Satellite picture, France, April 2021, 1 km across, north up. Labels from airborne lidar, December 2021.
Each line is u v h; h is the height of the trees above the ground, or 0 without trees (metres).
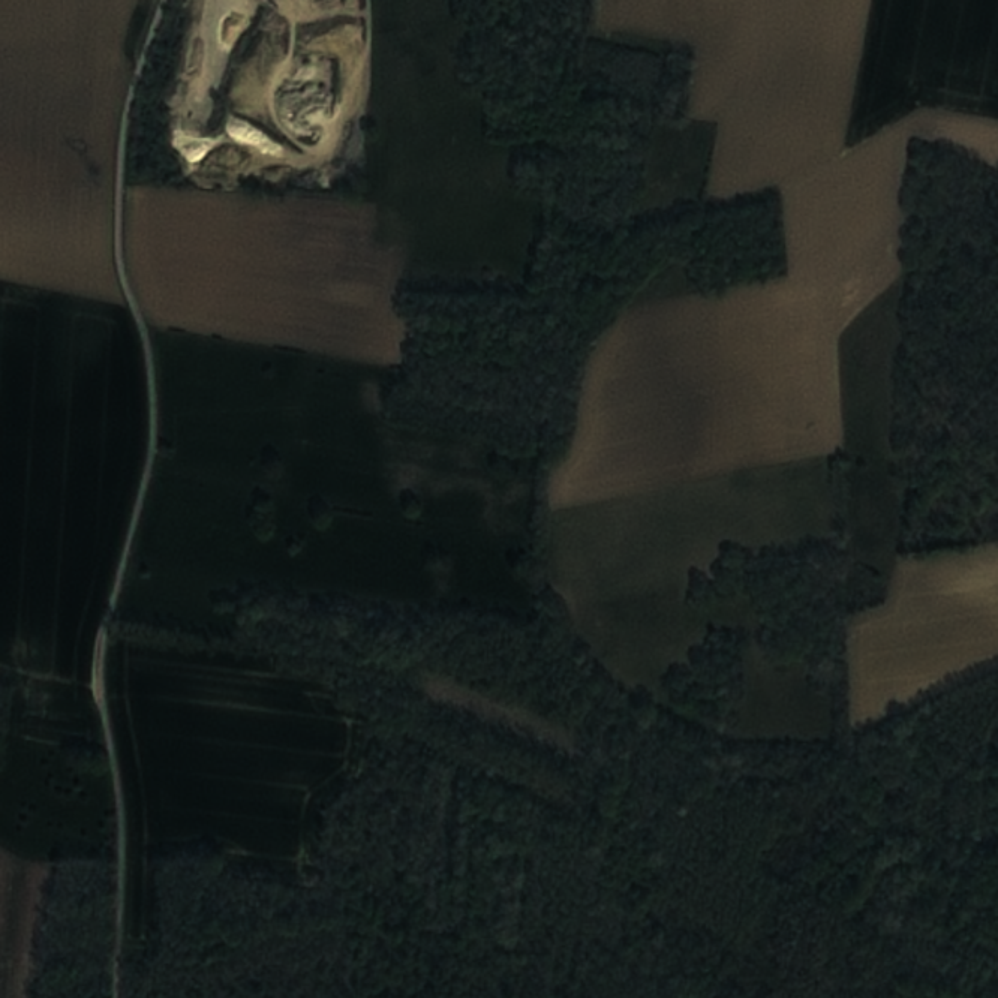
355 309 0
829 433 0
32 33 0
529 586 9
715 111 0
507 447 19
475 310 24
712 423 0
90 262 0
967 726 22
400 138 0
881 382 0
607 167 22
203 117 0
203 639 20
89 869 22
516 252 0
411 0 0
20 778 0
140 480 0
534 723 0
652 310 0
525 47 25
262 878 26
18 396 0
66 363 0
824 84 0
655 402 0
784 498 0
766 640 19
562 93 25
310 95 0
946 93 0
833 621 24
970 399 18
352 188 18
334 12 0
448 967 26
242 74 0
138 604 0
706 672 22
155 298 0
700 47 0
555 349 23
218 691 0
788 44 0
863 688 0
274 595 24
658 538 0
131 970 10
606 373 0
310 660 18
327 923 15
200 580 0
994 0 0
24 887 0
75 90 0
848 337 0
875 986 16
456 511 0
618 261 22
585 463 0
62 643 0
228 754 0
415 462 0
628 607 0
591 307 23
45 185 0
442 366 28
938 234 19
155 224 0
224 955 18
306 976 11
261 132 0
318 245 0
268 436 0
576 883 16
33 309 0
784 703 0
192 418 0
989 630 0
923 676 0
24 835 0
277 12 0
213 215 0
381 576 0
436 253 0
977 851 27
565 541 0
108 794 0
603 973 26
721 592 19
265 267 0
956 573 0
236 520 0
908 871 26
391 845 24
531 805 28
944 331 17
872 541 0
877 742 11
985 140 0
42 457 0
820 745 8
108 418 0
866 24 0
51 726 0
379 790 8
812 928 22
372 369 0
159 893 12
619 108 27
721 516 0
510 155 0
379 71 0
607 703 20
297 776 0
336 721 0
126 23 0
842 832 13
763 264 17
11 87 0
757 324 0
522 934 12
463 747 17
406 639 32
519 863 31
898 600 0
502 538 0
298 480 0
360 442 0
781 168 0
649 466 0
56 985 25
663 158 0
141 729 0
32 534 0
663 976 14
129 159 7
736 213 20
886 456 0
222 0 0
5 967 0
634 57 12
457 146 0
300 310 0
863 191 0
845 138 0
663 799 19
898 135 0
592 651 10
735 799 18
